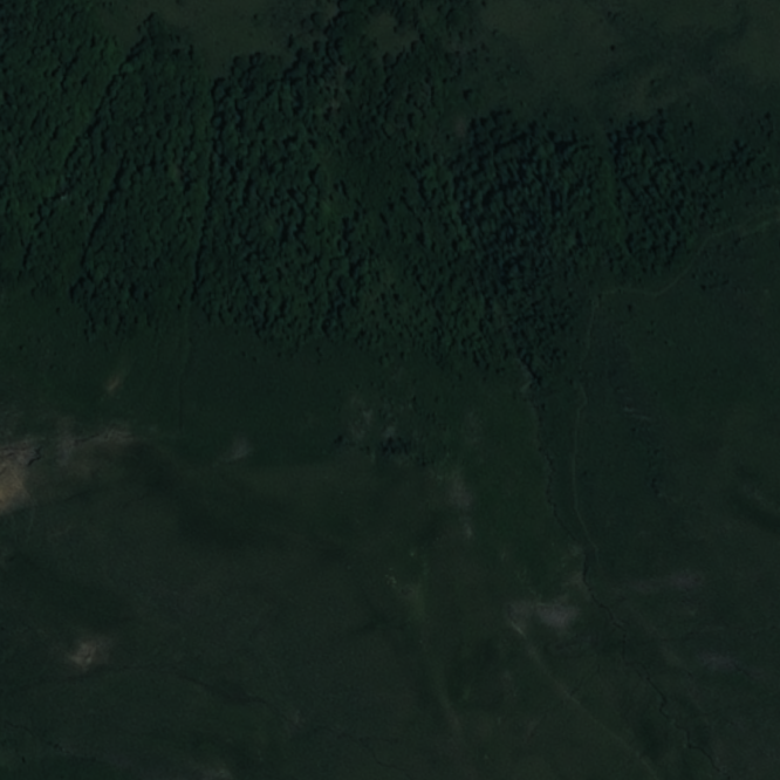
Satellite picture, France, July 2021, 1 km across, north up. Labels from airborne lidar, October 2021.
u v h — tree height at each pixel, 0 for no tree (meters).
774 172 11
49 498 0
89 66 26
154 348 0
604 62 0
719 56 0
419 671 0
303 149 26
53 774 0
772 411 0
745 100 0
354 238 26
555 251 8
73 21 23
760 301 0
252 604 0
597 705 0
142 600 0
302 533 0
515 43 0
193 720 0
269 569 0
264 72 21
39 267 16
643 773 0
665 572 0
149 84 21
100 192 25
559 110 0
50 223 20
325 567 0
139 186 25
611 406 0
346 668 0
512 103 0
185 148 24
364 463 0
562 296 0
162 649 0
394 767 0
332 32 15
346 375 0
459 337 15
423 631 0
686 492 0
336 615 0
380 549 0
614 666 0
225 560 0
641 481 0
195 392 0
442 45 14
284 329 15
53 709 0
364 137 6
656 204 11
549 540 0
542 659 0
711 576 0
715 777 0
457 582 0
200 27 0
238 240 26
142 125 25
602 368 0
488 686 0
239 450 0
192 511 0
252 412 0
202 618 0
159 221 25
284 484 0
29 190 19
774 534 0
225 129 17
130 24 0
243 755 0
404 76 18
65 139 18
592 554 0
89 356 0
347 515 0
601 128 0
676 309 0
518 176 23
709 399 0
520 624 0
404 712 0
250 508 0
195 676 0
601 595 0
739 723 0
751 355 0
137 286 20
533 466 0
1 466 0
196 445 0
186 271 21
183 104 27
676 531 0
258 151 28
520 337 14
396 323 12
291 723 0
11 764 0
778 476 0
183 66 22
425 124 19
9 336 0
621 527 0
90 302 19
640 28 0
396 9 6
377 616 0
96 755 0
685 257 9
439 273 7
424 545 0
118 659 0
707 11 0
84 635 0
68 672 0
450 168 6
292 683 0
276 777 0
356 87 27
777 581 0
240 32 0
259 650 0
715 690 0
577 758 0
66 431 0
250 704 0
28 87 26
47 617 0
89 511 0
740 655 0
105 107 15
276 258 21
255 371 0
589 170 25
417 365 0
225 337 0
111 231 23
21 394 0
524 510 0
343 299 12
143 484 0
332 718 0
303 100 25
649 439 0
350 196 29
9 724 0
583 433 0
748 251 0
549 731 0
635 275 9
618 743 0
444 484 0
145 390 0
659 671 0
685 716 0
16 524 0
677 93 0
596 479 0
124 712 0
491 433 0
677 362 0
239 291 15
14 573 0
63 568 0
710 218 10
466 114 0
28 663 0
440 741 0
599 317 0
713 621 0
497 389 0
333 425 0
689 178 17
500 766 0
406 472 0
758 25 0
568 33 0
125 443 0
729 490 0
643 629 0
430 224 6
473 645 0
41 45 21
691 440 0
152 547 0
